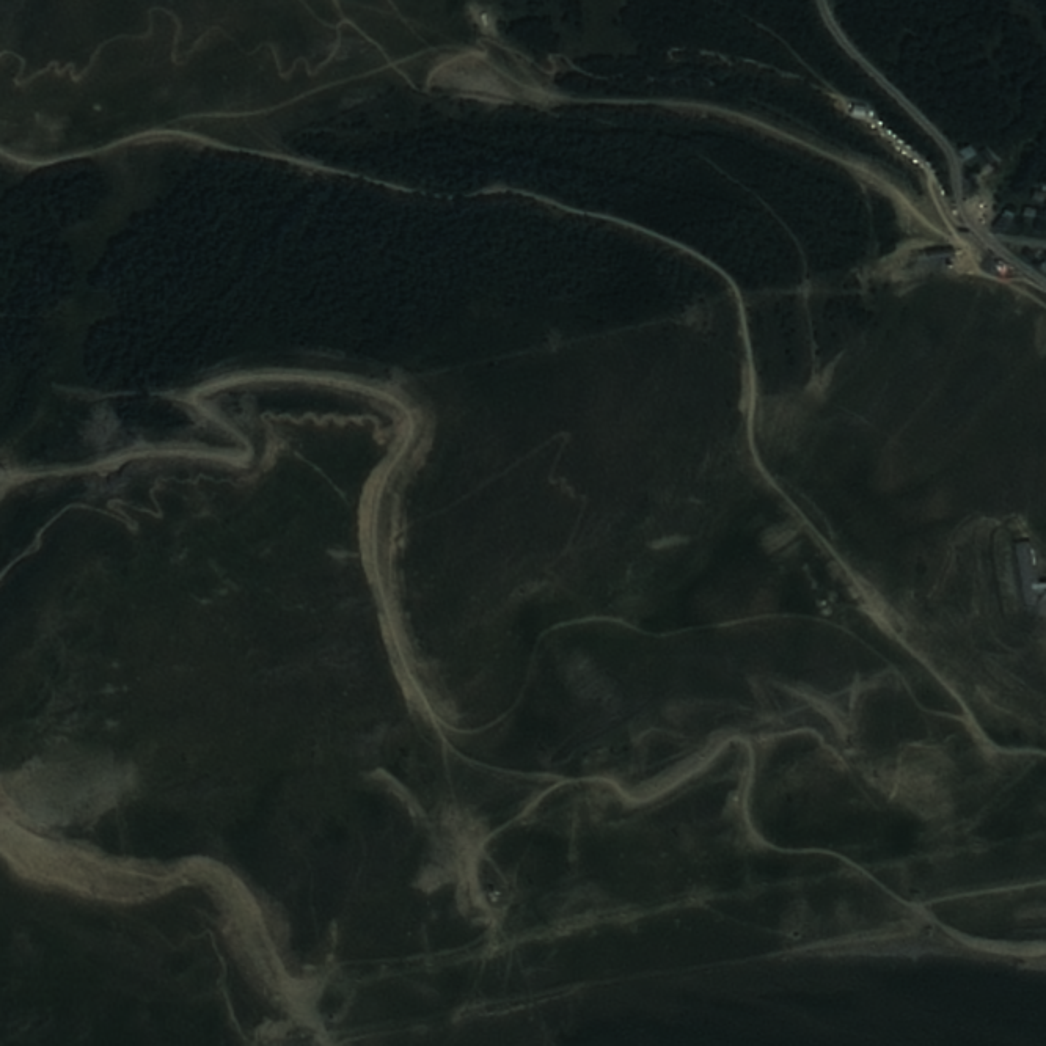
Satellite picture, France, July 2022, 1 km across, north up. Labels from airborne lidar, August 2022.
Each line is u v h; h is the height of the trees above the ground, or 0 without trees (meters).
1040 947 0
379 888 0
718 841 0
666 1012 0
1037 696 0
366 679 0
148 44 0
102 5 0
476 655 0
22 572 0
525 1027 0
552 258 10
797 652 0
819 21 10
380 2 0
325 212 13
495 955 0
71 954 0
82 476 0
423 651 0
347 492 0
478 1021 0
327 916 0
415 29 0
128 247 12
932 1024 0
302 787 0
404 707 0
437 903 0
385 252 7
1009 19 13
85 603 0
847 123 12
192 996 0
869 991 0
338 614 0
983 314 0
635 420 0
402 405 0
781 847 0
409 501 0
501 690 0
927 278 0
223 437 0
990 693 0
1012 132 10
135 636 0
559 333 0
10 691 0
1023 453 0
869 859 0
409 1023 0
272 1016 0
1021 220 10
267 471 0
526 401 0
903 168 8
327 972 0
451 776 0
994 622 0
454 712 0
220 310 9
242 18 0
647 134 6
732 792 0
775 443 0
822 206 8
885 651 0
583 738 0
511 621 0
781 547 0
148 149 0
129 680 0
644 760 0
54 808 0
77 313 0
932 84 14
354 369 0
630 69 10
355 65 0
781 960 0
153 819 0
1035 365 0
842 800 0
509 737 0
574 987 0
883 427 0
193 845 0
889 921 0
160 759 0
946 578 0
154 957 0
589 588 0
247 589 0
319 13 0
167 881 0
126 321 9
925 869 0
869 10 12
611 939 0
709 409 0
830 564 0
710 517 0
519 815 0
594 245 6
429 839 0
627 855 0
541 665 0
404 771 0
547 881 0
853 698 0
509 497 0
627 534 0
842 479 0
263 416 0
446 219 11
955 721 0
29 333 7
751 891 0
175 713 0
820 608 0
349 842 0
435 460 0
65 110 0
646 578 0
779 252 7
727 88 10
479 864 0
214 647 0
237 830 0
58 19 0
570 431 0
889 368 0
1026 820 0
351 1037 0
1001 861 0
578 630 0
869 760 0
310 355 0
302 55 0
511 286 6
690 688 0
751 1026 0
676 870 0
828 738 0
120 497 0
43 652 0
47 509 0
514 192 12
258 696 0
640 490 0
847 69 11
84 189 10
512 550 0
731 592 0
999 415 0
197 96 0
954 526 0
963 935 0
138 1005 0
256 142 0
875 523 0
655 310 0
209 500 0
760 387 0
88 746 0
